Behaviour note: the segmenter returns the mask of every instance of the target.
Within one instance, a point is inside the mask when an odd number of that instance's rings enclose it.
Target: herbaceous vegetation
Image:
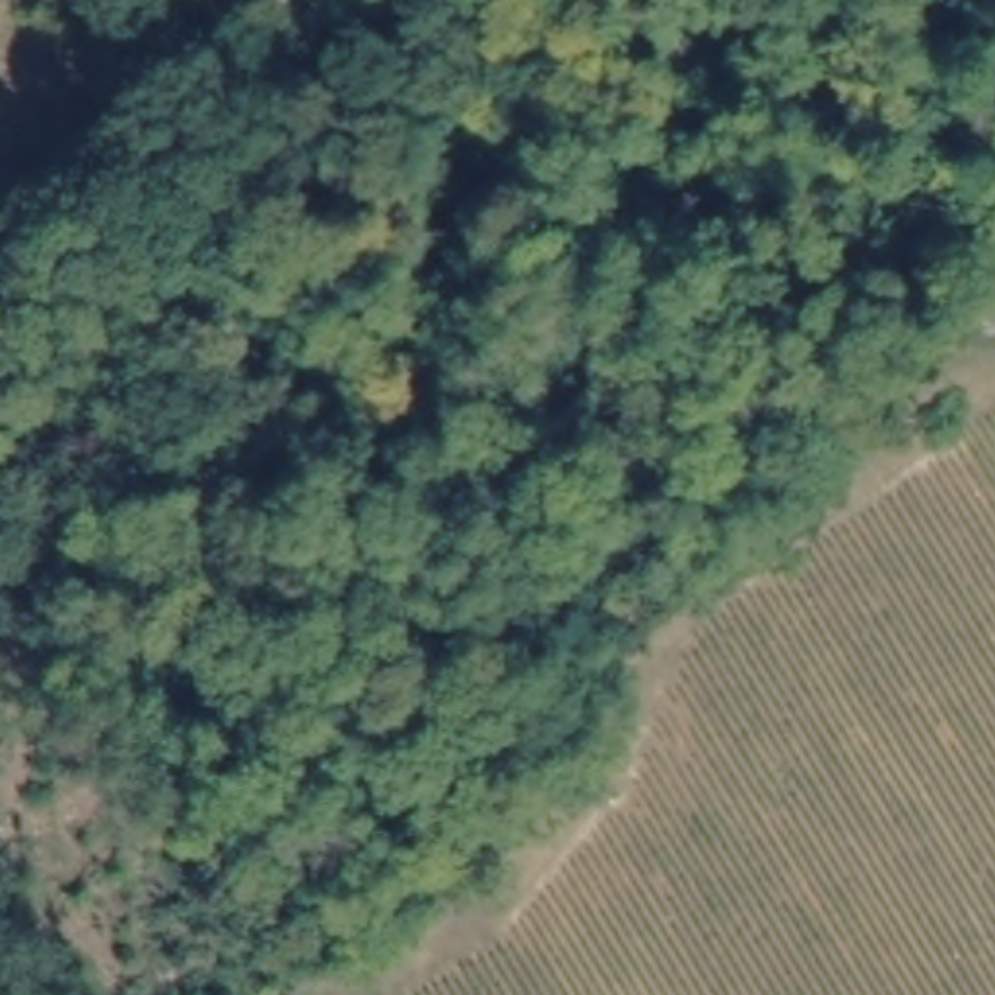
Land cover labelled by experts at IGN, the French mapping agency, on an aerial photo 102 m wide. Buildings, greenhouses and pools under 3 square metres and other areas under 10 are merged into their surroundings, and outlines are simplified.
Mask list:
[[[82,51],[66,51],[54,31],[19,27],[19,0],[0,0],[0,202],[12,202],[23,183],[43,187],[51,175],[86,175],[93,183],[93,175],[86,171],[86,148],[105,120],[117,117],[120,97],[144,86],[159,66],[183,66],[198,58],[202,43],[229,16],[257,0],[171,0],[159,19],[152,19],[132,39],[93,31],[82,43]]]
[[[995,424],[995,323],[983,323],[976,354],[941,361],[941,373],[933,381],[921,381],[921,393],[913,396],[913,404],[925,404],[960,385],[972,412],[983,424]]]
[[[27,746],[12,750],[0,742],[0,843],[23,851],[39,878],[58,875],[62,882],[70,882],[86,863],[86,847],[74,840],[74,824],[93,816],[97,793],[86,781],[74,781],[58,797],[31,805],[19,793],[27,781]]]
[[[120,956],[113,956],[113,941],[93,929],[86,913],[74,909],[62,921],[62,933],[86,956],[93,995],[109,995],[124,964]]]

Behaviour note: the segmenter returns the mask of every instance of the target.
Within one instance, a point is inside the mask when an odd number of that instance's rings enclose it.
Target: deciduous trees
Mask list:
[[[19,27],[54,31],[66,51],[82,51],[82,43],[93,31],[132,39],[152,19],[159,19],[171,0],[19,0]]]
[[[801,579],[808,571],[812,544],[836,513],[851,505],[855,478],[867,470],[875,455],[906,459],[909,451],[925,447],[944,455],[964,439],[964,424],[972,420],[972,412],[960,385],[925,404],[913,404],[913,396],[921,393],[921,381],[933,381],[941,373],[941,361],[976,354],[983,323],[995,323],[995,0],[257,0],[229,16],[202,43],[198,58],[183,66],[159,66],[144,86],[120,97],[117,117],[105,120],[86,148],[86,171],[93,175],[93,183],[86,175],[51,175],[43,187],[23,183],[12,202],[0,202],[0,742],[12,750],[27,746],[27,781],[19,793],[31,805],[58,797],[74,781],[86,781],[97,793],[93,816],[74,824],[74,840],[86,847],[86,863],[70,882],[62,882],[58,875],[39,878],[23,851],[0,843],[0,995],[93,995],[86,956],[62,933],[62,921],[74,909],[86,913],[93,929],[113,941],[113,956],[120,956],[124,964],[109,995],[323,995],[326,987],[369,987],[400,972],[408,956],[424,948],[424,941],[443,921],[463,921],[474,913],[505,917],[509,906],[517,906],[521,898],[521,875],[501,859],[501,851],[556,847],[556,836],[564,836],[575,824],[579,812],[587,812],[591,805],[610,808],[622,801],[622,777],[634,770],[641,746],[641,692],[626,684],[630,653],[645,653],[649,634],[669,618],[711,618],[735,591],[742,591],[754,579]]]

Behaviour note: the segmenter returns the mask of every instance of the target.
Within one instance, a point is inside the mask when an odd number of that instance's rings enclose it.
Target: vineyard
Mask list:
[[[622,777],[622,801],[610,808],[591,805],[587,812],[579,812],[575,824],[564,836],[556,836],[556,847],[501,851],[501,859],[521,875],[521,898],[517,906],[509,906],[505,917],[474,913],[463,921],[443,921],[424,941],[424,948],[408,956],[400,972],[369,987],[326,987],[323,995],[995,995],[995,424],[983,424],[972,412],[972,420],[964,424],[964,439],[944,455],[925,447],[909,451],[906,459],[875,455],[867,470],[855,478],[851,505],[836,513],[812,544],[808,571],[801,579],[754,579],[742,591],[735,591],[711,618],[669,618],[649,634],[645,653],[630,653],[626,684],[641,692],[641,746],[634,770]]]

